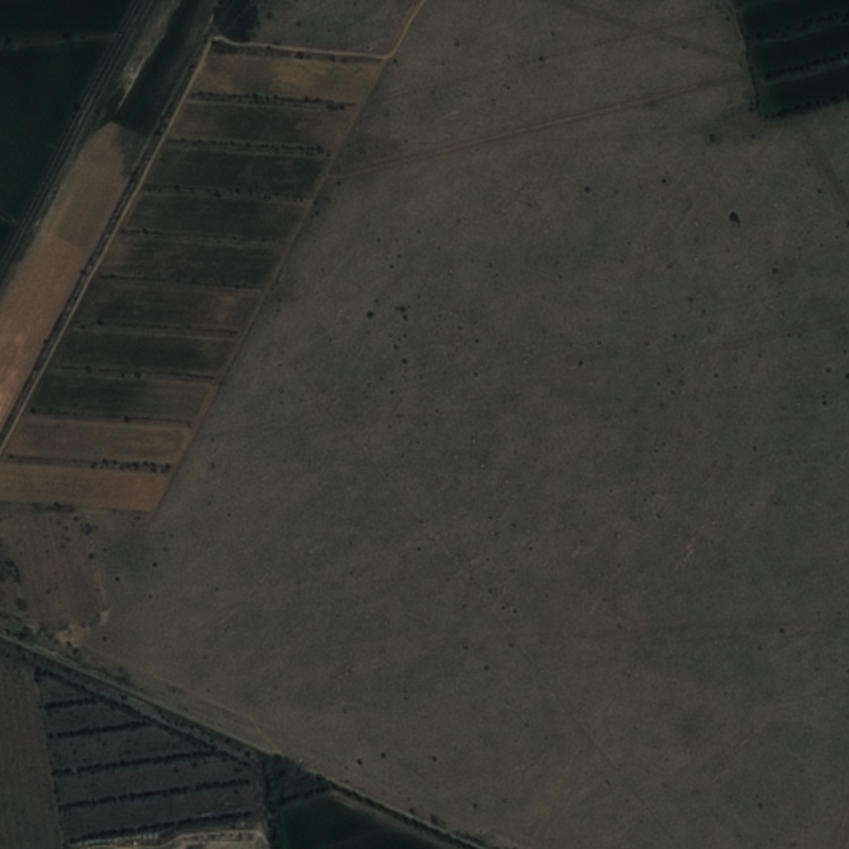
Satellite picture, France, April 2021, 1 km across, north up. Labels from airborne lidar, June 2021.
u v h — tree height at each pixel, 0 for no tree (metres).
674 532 0
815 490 0
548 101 0
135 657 0
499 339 0
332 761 0
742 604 0
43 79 0
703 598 0
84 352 0
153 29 0
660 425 0
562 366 0
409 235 0
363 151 0
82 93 0
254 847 0
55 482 0
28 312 0
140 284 0
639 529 0
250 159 0
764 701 0
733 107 0
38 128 0
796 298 0
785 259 0
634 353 0
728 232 0
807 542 0
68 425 0
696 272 0
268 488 0
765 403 0
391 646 0
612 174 0
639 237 0
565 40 0
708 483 0
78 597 0
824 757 0
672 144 0
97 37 0
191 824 10
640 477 0
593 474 0
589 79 0
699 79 0
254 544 0
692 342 0
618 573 0
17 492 0
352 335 0
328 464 0
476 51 0
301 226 0
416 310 0
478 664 0
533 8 0
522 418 0
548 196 0
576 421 0
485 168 0
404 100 0
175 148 0
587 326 0
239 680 0
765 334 0
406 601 0
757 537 0
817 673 0
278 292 0
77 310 0
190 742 10
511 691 0
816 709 0
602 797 0
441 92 0
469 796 0
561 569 0
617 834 0
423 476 0
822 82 0
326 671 0
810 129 0
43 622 0
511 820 0
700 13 0
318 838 0
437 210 0
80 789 0
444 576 0
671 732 0
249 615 0
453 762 0
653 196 0
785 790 0
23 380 0
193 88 0
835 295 0
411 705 0
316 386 0
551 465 0
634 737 0
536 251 0
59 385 0
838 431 0
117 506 0
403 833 0
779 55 0
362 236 0
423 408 0
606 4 0
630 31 0
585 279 0
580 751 0
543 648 0
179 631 0
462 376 0
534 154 0
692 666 0
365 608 0
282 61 0
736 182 0
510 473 0
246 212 0
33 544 0
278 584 0
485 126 0
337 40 0
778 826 0
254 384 0
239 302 0
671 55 0
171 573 0
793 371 0
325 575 0
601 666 0
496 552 0
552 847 0
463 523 0
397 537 0
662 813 0
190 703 0
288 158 0
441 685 0
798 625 0
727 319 0
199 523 0
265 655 0
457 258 0
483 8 0
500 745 0
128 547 0
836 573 0
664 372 0
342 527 0
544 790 0
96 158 0
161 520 0
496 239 0
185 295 0
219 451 0
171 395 0
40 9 0
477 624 0
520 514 0
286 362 0
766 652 0
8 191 0
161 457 0
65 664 0
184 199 0
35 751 0
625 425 0
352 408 0
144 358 0
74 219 0
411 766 0
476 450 0
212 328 0
